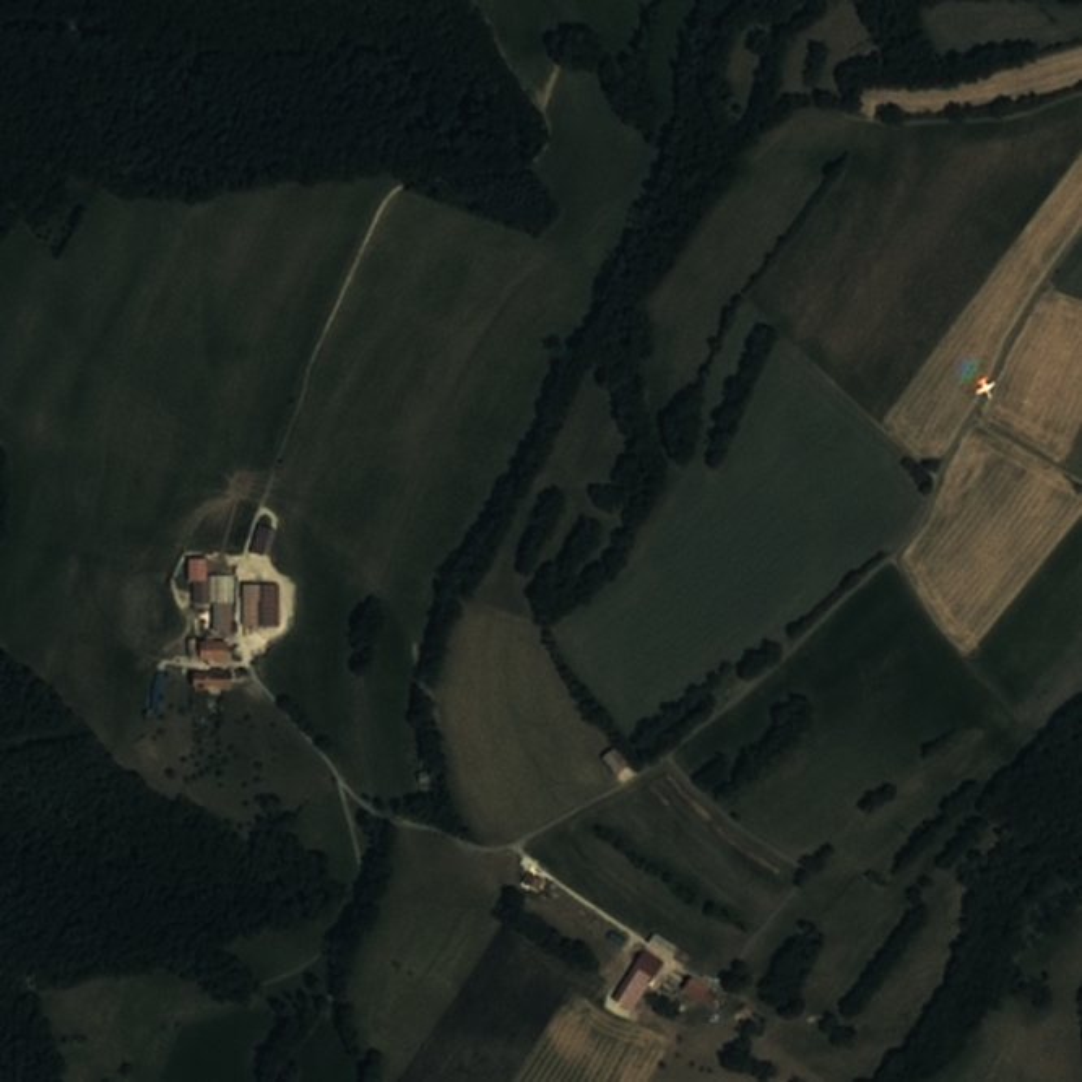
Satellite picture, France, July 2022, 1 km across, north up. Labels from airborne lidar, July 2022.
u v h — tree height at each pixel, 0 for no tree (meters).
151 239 0
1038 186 0
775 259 7
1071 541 0
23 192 22
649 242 21
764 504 0
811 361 0
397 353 0
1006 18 0
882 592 0
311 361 0
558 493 16
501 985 0
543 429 15
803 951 17
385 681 0
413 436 0
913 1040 14
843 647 0
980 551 0
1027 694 0
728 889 0
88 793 9
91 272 0
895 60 19
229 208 0
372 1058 13
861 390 0
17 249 0
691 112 13
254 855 18
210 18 26
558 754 0
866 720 0
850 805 0
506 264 0
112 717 0
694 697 14
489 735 0
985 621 0
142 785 17
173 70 32
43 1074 22
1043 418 0
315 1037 0
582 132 0
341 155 25
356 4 21
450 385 0
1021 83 0
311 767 0
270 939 0
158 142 27
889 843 0
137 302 0
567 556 13
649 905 0
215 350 0
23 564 0
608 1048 0
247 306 0
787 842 0
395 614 0
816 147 0
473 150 25
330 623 0
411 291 0
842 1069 0
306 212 0
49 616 0
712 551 0
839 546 0
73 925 20
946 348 0
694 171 21
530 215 19
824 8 9
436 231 0
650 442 25
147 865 26
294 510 0
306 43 26
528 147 18
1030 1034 0
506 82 15
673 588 0
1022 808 15
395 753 0
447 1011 0
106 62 32
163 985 0
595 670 0
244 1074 0
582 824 0
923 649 0
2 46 25
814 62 13
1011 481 0
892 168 0
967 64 18
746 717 0
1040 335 0
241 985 21
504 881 0
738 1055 21
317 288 0
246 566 0
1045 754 18
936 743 10
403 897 0
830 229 0
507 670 0
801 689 0
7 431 0
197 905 19
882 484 0
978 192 0
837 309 0
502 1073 0
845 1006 16
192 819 9
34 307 0
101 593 0
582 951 20
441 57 30
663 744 17
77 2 24
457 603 16
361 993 0
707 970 0
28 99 18
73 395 0
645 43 9
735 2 15
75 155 22
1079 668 0
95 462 0
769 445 0
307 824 0
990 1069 0
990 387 0
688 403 20
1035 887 22
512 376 0
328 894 24
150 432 0
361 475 0
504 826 0
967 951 18
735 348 0
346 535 0
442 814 20
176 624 0
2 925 16
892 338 0
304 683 0
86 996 0
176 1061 0
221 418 0
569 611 16
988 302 0
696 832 0
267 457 0
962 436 0
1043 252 0
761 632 0
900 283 0
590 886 0
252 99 24
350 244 0
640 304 13
